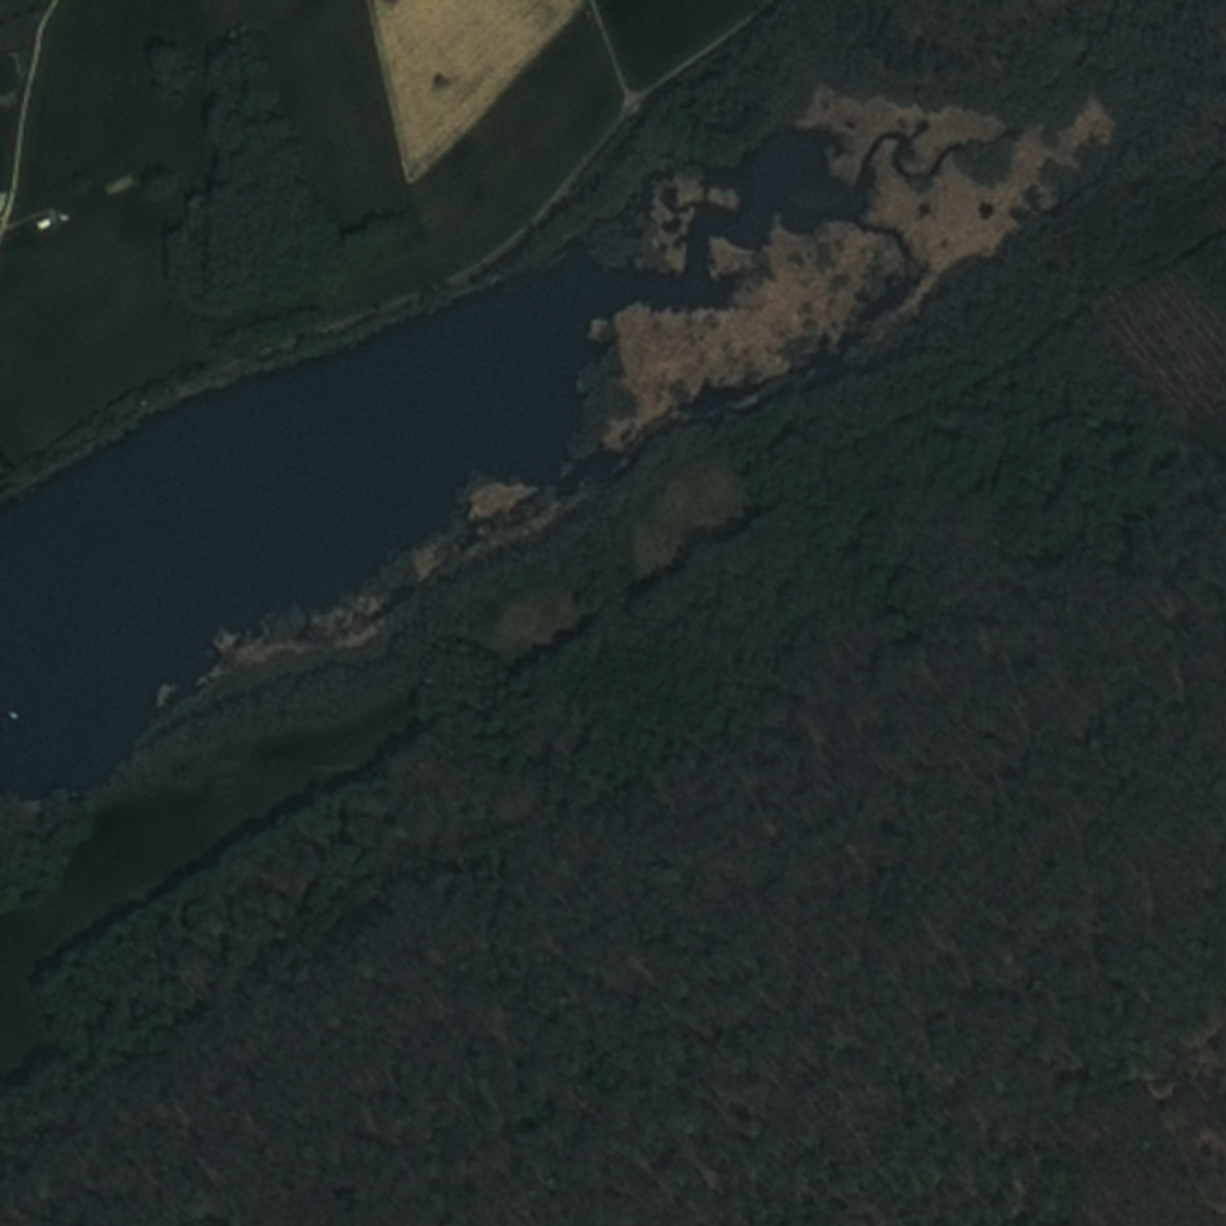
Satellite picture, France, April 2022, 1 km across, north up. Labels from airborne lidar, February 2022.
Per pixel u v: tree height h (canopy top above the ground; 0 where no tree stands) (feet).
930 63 66
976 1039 96
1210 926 96
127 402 24
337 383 0
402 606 24
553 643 0
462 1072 102
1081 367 84
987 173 24
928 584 92
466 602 83
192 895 78
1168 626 89
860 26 52
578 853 108
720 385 0
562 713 95
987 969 96
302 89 0
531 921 103
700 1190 100
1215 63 53
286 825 60
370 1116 100
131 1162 97
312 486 0
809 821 104
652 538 0
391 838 81
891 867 77
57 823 73
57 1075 101
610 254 31
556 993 101
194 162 0
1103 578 100
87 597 0
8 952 0
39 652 0
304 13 0
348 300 0
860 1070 99
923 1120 93
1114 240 33
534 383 0
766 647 90
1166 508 67
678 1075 97
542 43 0
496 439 0
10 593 0
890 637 104
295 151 79
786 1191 96
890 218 0
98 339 0
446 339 0
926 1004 94
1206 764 100
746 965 107
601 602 83
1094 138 22
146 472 0
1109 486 90
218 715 53
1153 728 98
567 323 0
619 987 111
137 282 0
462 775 94
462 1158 102
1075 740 95
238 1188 101
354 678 55
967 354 87
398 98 0
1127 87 20
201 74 0
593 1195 66
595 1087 90
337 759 0
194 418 0
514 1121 96
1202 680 103
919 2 69
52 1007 72
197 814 0
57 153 0
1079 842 95
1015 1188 80
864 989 93
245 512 0
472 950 98
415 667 74
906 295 0
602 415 19
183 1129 100
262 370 31
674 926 103
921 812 99
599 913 96
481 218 0
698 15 0
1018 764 98
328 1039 101
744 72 63
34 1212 99
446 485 0
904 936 97
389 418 0
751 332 0
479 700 86
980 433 86
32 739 0
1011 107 23
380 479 0
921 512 92
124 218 0
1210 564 94
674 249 0
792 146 0
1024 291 84
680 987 109
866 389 88
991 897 79
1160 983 90
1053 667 103
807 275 0
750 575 86
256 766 0
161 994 91
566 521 39
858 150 0
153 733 20
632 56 0
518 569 73
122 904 0
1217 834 98
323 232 92
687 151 81
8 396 0
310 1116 105
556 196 0
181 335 0
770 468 85
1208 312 0
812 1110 101
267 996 110
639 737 85
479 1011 104
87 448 42
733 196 0
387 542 0
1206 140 60
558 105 0
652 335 0
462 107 0
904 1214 94
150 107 0
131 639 0
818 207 0
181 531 0
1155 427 96
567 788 103
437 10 0
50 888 38
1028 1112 99
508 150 0
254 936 84
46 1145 75
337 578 0
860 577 105
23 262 0
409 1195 103
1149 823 106
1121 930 90
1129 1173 70
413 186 0
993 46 70
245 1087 100
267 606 0
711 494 0
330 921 35
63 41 0
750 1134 101
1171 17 25
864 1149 97
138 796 0
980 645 101
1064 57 58
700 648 96
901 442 77
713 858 99
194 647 0
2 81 0
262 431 0
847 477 91
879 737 0
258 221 90
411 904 107
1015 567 83
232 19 0
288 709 78
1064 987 99
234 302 86
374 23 0
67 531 0
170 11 0
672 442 73
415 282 0
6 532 0
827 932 104
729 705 91
